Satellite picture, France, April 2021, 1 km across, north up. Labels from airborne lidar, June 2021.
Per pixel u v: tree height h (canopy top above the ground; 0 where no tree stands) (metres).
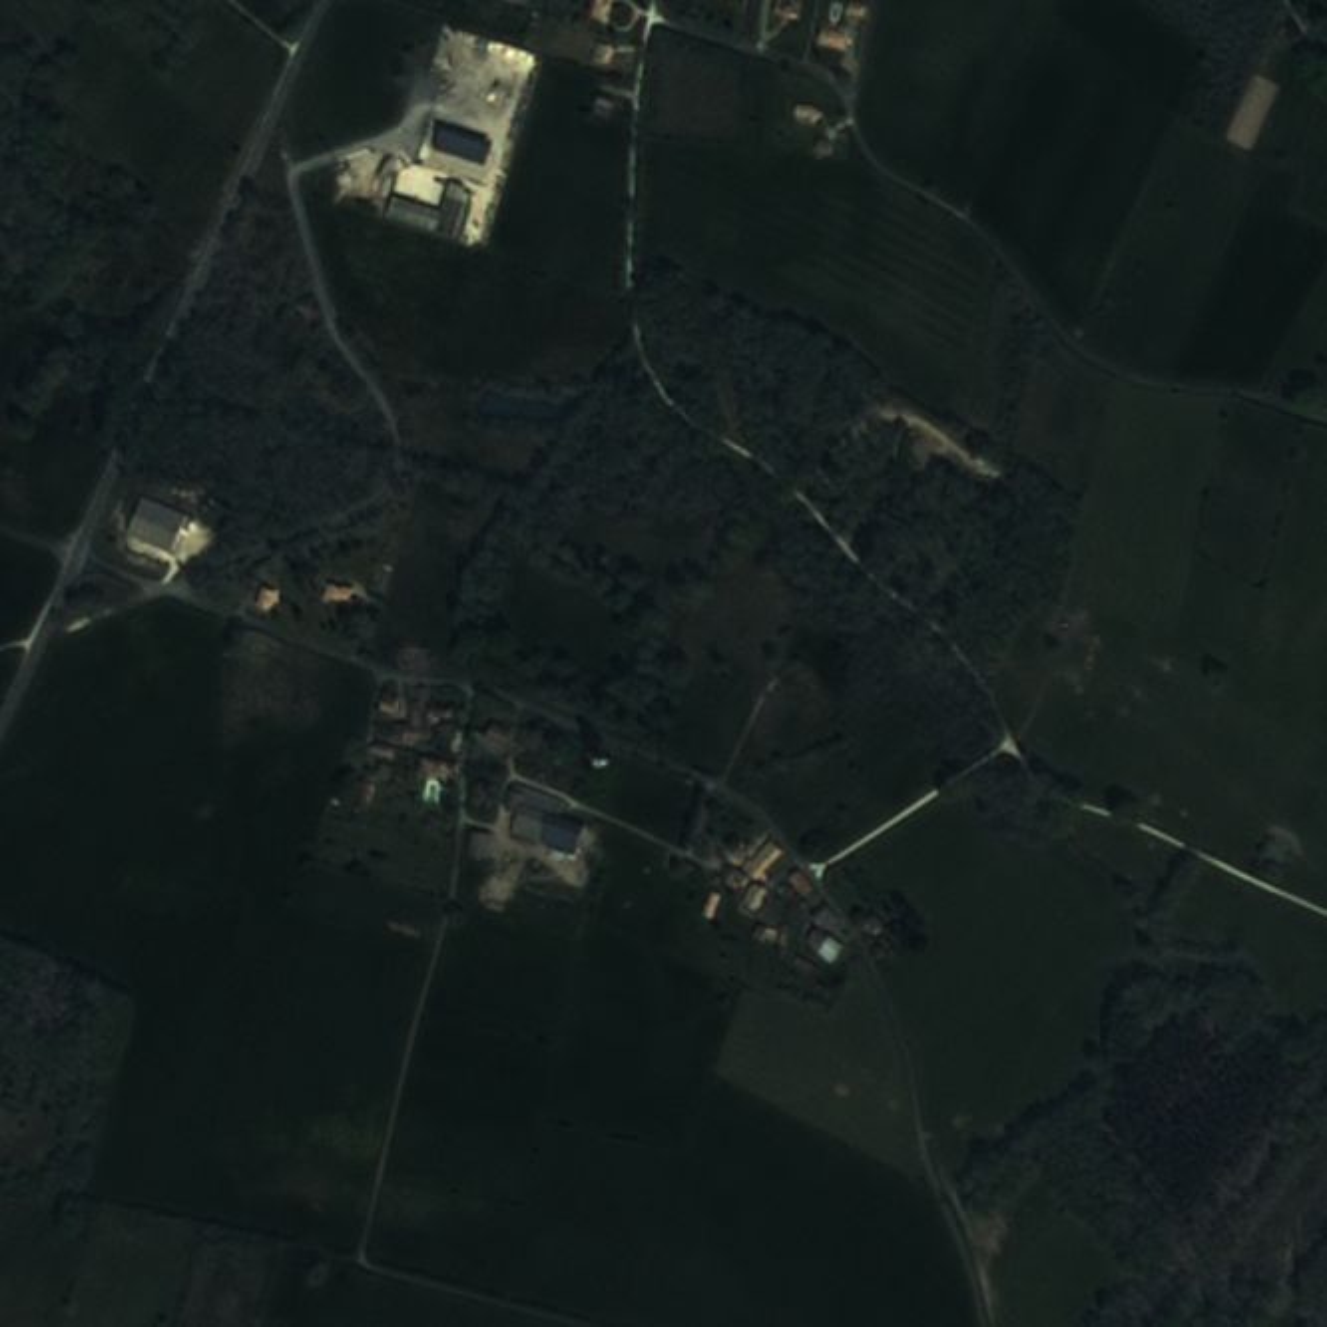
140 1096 0
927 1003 0
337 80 0
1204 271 0
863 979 0
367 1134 0
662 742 14
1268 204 0
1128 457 0
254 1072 0
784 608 0
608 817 0
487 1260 0
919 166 0
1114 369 0
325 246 0
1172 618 0
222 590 21
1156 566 0
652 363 14
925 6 0
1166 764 0
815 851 9
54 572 0
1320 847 0
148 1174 0
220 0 6
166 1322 8
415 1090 0
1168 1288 18
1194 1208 17
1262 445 0
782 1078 0
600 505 8
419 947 0
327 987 0
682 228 0
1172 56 0
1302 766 0
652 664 13
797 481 20
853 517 18
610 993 0
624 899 0
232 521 10
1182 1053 16
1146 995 18
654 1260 0
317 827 0
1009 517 15
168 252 0
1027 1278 0
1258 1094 17
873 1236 0
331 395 8
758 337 13
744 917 0
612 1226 0
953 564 13
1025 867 0
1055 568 15
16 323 0
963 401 0
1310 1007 0
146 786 0
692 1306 0
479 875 0
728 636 0
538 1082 0
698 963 0
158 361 0
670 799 0
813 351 18
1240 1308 21
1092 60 0
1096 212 0
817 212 0
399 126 0
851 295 0
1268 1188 15
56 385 19
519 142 0
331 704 0
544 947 0
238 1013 0
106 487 0
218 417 18
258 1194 0
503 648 18
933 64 0
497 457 0
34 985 13
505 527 14
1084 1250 0
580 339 0
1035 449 0
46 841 0
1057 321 0
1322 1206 0
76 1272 0
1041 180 0
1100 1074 13
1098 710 0
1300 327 0
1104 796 0
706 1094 0
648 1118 0
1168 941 12
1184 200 0
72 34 0
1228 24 8
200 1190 0
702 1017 0
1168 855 0
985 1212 16
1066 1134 18
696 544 0
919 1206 0
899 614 21
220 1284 0
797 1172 0
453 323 0
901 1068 0
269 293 14
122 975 0
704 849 15
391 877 0
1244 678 0
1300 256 0
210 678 0
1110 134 0
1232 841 0
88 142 0
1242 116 0
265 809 0
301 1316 0
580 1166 0
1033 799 22
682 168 0
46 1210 0
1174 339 0
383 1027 0
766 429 18
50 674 0
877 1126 0
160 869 0
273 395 22
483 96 0
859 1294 0
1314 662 0
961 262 0
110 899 0
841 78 12
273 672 0
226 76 0
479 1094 0
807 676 0
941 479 15
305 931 0
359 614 10
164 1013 0
